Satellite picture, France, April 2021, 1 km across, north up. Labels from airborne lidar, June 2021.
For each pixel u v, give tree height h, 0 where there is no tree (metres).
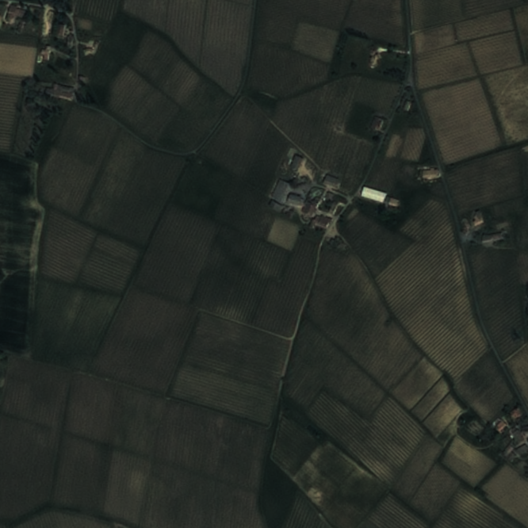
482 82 0
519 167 0
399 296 0
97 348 0
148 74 0
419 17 0
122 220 0
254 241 0
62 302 0
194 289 0
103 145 0
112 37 0
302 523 0
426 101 0
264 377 0
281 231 0
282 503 0
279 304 0
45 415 0
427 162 0
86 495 0
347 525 0
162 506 0
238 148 0
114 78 0
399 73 12
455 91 0
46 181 0
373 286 0
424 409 0
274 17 0
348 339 0
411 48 0
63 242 0
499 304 0
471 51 0
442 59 0
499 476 0
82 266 0
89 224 0
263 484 0
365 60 0
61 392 0
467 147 0
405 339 0
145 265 0
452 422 0
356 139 0
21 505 0
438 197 0
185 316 0
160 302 0
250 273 0
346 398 0
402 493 0
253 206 0
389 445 0
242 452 0
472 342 0
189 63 0
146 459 0
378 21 0
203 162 0
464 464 0
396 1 0
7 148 0
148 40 0
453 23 0
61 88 0
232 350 0
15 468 0
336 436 0
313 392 0
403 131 0
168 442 0
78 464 0
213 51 0
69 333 0
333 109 0
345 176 0
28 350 0
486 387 0
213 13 0
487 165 0
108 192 0
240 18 0
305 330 0
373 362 0
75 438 0
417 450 0
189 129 0
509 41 0
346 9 0
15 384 0
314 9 0
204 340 0
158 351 0
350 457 0
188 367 0
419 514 0
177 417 0
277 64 0
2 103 0
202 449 0
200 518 0
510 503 0
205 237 0
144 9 0
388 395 0
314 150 0
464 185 0
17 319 0
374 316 0
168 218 0
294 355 0
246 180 0
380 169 0
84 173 0
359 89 0
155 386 0
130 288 0
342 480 0
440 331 0
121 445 0
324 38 0
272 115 0
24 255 0
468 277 0
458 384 0
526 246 0
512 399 0
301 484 0
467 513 0
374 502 0
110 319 0
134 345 0
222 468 0
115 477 0
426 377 0
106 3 0
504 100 0
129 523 0
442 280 0
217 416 0
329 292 0
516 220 0
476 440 0
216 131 0
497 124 0
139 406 0
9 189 0
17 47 0
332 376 0
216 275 0
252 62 0
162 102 0
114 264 0
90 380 0
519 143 0
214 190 0
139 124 0
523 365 0
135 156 0
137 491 0
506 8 0
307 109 0
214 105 0
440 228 0
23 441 0
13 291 0
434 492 0
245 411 0
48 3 12
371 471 0
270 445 0
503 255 0
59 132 0
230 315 0
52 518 0
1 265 0
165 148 0
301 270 0
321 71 0
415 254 0
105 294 0
